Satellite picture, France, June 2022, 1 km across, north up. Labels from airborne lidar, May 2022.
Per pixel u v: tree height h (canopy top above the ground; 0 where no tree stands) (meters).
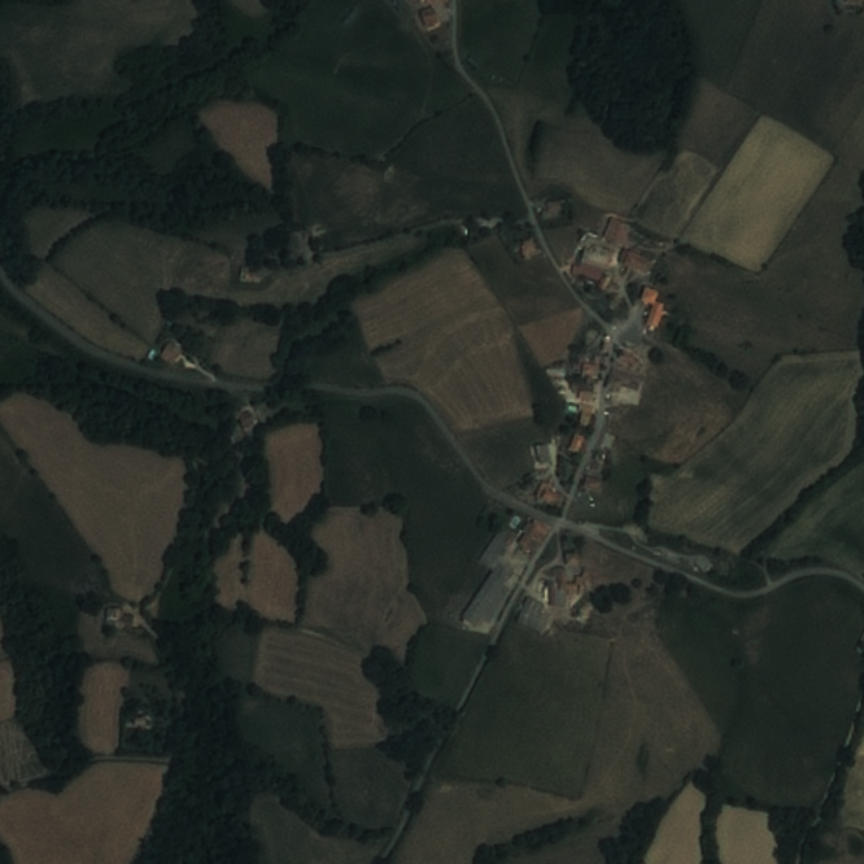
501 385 0
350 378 0
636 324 0
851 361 0
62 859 0
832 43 0
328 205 0
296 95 0
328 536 0
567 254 0
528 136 0
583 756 0
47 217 0
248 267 10
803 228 0
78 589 0
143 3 0
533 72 0
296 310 10
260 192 10
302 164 0
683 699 0
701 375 0
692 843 0
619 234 0
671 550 0
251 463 18
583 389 0
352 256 0
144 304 0
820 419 0
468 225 15
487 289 0
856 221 7
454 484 0
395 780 0
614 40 25
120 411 19
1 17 0
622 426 0
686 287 0
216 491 17
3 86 22
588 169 0
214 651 8
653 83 24
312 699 0
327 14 0
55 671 27
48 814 0
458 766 0
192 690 22
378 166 6
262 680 0
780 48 0
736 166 0
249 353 0
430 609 0
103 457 0
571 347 8
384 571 0
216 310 14
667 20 24
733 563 0
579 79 21
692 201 0
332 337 15
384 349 8
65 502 0
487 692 0
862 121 0
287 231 13
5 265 17
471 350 0
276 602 0
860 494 0
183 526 14
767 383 0
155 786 0
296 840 0
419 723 7
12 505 0
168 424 16
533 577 0
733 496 0
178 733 22
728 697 0
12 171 11
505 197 0
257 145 0
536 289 0
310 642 0
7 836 0
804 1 0
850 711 0
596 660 0
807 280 0
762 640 0
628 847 19
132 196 20
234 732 42
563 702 0
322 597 0
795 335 0
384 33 0
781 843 15
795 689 0
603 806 0
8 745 0
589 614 0
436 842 0
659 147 16
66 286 0
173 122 6
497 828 0
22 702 12
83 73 0
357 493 0
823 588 0
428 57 0
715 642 0
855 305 0
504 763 0
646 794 0
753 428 0
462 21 0
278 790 14
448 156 0
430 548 0
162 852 20
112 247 0
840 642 0
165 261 0
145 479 0
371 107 0
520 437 0
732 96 0
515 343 0
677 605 0
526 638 0
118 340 0
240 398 0
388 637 0
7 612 8
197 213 19
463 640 0
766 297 0
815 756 0
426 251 7
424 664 0
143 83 8
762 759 0
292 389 21
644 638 0
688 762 0
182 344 15
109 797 0
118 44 0
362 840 14
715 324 0
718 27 0
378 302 0
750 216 0
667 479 0
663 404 0
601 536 0
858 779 0
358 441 0
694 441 0
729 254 0
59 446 0
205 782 25
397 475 0
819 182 0
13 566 11
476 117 0
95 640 0
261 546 0
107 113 0
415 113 0
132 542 0
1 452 0
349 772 0
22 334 0
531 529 0
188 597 23
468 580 0
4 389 16
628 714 0
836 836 0
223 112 0
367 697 0
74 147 0
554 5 17
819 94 0
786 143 0
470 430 0
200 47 20
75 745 18
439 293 0
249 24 0
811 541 0
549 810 0
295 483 0
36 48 0
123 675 0
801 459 0
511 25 0
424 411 0
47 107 10
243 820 10
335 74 0
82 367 18
